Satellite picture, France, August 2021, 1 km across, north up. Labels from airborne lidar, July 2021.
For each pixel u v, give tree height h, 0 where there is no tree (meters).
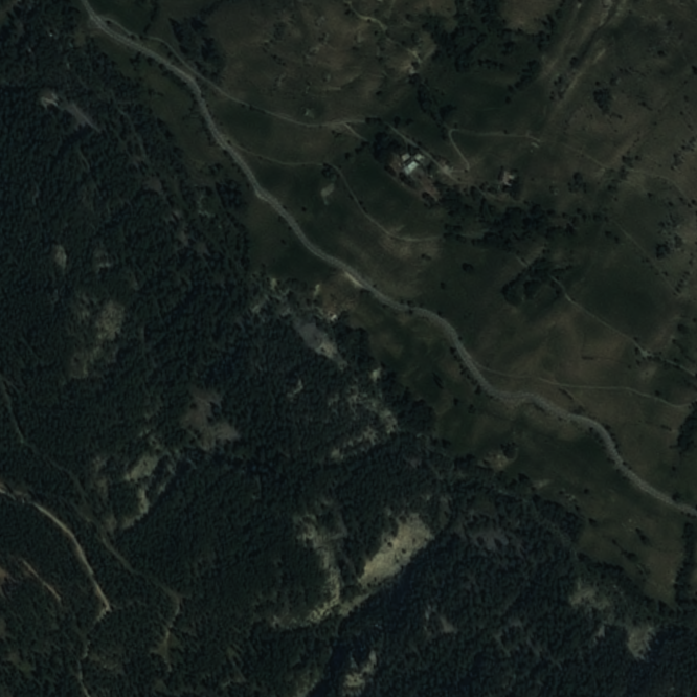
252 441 19
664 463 0
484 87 0
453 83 0
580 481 0
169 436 17
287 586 18
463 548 19
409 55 0
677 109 0
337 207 0
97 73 13
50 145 25
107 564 20
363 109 0
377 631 8
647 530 0
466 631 16
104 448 19
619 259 0
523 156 0
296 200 0
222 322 14
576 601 0
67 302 12
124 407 25
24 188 19
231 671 23
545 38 15
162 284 27
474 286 0
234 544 23
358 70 0
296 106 0
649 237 0
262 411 26
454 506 8
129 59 0
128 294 22
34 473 18
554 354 0
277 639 28
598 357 0
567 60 0
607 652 10
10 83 10
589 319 0
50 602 15
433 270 0
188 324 23
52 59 11
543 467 0
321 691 12
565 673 9
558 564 12
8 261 29
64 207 28
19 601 25
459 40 18
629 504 0
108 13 0
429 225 0
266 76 0
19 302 19
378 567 0
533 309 0
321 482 18
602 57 0
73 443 15
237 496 14
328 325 11
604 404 0
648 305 0
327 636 14
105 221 18
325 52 0
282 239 0
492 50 0
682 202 8
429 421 21
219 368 10
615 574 25
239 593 22
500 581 18
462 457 0
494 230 16
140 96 12
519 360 0
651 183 0
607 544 0
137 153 14
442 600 12
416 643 16
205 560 13
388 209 0
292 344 15
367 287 0
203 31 23
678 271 0
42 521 18
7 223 22
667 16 0
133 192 20
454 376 0
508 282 0
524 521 21
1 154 18
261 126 0
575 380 0
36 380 26
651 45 0
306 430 18
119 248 26
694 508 0
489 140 0
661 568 0
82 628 27
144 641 22
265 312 8
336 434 10
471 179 0
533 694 14
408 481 18
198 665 21
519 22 0
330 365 20
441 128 10
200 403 0
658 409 0
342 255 0
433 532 6
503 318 0
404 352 0
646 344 0
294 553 20
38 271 29
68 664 25
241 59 0
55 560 26
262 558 23
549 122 0
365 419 7
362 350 13
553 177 0
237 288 24
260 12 0
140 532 14
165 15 0
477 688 18
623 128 0
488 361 0
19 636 18
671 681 9
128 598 14
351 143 0
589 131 0
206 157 0
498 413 0
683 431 12
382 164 25
